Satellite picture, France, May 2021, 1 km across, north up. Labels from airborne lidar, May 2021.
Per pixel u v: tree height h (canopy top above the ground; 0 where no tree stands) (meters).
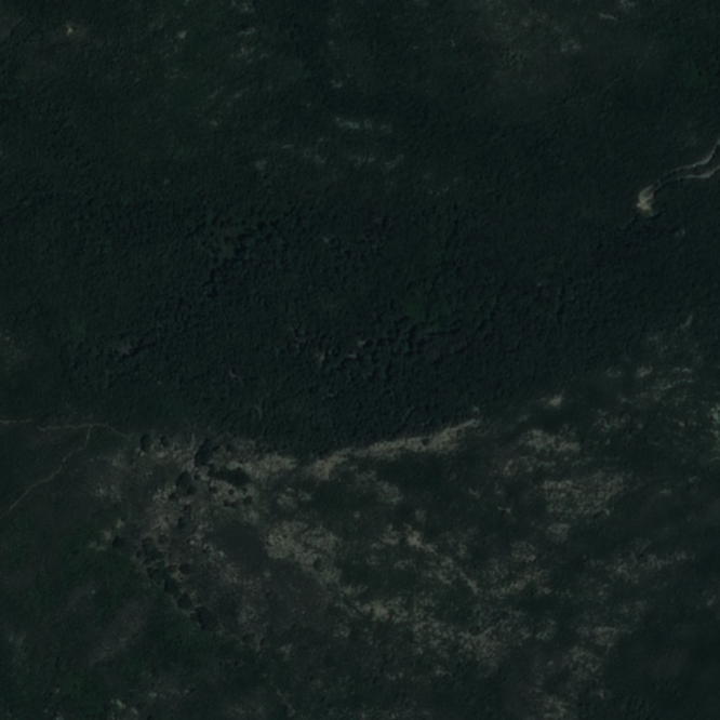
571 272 14
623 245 10
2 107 15
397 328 17
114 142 9
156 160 10
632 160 15
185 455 0
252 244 25
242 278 14
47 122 15
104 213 18
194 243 20
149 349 19
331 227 16
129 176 9
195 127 9
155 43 6
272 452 9
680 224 11
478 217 20
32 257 14
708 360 7
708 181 8
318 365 24
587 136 13
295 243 17
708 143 9
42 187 16
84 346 20
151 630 5
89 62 7
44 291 12
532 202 9
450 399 14
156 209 22
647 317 10
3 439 7
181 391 11
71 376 15
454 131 14
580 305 18
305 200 15
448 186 7
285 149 8
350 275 19
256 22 7
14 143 9
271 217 13
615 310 13
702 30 6
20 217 17
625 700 11
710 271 13
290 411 14
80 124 8
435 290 13
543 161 15
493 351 16
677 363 7
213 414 10
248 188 15
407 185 14
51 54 8
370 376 9
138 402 7
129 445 0
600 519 12
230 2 9
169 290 23
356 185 13
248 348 17
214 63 7
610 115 9
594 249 17
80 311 12
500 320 21
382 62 6
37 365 6
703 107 14
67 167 9
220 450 13
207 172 12
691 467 6
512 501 11
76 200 15
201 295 26
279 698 6
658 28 9
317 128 15
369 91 8
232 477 13
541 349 15
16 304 6
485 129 10
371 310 21
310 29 13
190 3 7
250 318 15
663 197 17
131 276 9
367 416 14
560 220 14
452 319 8
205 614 18
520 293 23
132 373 13
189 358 10
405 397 12
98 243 12
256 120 12
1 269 11
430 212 22
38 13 11
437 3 8
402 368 23
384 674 12
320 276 18
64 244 14
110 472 0
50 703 8
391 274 17
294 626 9
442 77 9
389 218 21
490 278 16
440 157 13
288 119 17
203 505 0
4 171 11
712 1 7
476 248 17
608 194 15
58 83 9
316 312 14
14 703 6
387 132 6
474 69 8
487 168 16
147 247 14
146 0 6
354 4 8
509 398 11
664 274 14
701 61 15
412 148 12
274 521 0
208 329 10
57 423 6
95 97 9
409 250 19
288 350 23
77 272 13
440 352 17
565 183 12
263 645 13
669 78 10
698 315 12
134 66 7
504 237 12
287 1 10
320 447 9
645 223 16
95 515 7
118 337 14
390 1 7
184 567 12
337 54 6
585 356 11
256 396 16
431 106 13
